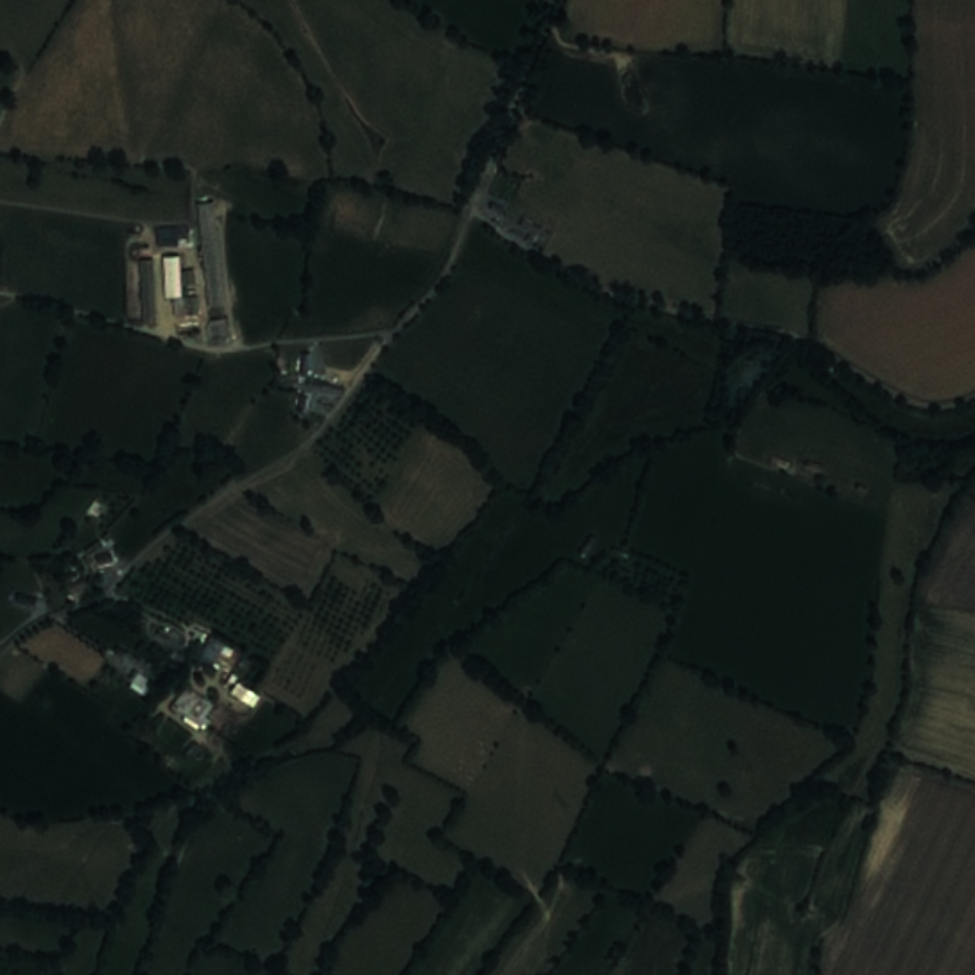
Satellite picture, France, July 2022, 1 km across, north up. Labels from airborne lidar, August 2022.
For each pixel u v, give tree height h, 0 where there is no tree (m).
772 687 0
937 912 0
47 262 0
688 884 0
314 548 0
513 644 0
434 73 0
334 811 0
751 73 0
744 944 0
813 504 0
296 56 13
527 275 0
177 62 0
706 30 0
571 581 0
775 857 0
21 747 0
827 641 0
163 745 0
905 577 13
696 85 0
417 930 0
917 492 0
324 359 0
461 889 13
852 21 0
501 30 0
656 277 0
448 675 0
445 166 0
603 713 0
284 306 0
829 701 0
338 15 0
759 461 0
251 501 14
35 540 0
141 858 13
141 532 0
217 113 0
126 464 21
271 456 0
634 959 0
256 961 16
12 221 0
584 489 6
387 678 0
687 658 0
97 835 0
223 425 0
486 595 0
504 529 0
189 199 0
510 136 21
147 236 0
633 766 0
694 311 15
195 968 7
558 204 0
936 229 0
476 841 0
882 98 0
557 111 0
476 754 0
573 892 0
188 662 9
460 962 0
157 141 0
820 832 0
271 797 0
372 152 0
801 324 0
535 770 0
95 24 0
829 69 17
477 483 0
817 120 0
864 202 0
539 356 0
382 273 0
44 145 0
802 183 0
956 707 0
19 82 0
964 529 0
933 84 0
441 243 0
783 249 14
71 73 0
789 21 0
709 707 0
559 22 23
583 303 0
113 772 0
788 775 0
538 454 0
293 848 0
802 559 0
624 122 0
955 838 0
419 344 0
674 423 0
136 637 8
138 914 0
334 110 0
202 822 16
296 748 0
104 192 0
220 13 0
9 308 0
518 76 17
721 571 0
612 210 0
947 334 0
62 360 13
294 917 0
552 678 0
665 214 0
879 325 0
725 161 0
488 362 0
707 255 0
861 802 5
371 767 0
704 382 0
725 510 0
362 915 13
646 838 0
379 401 8
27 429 0
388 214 0
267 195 0
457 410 0
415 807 0
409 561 0
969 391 0
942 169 0
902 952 0
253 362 0
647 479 8
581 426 17
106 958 8
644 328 0
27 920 21
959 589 0
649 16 0
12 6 0
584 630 0
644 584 6
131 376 0
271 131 0
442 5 0
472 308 0
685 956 10
